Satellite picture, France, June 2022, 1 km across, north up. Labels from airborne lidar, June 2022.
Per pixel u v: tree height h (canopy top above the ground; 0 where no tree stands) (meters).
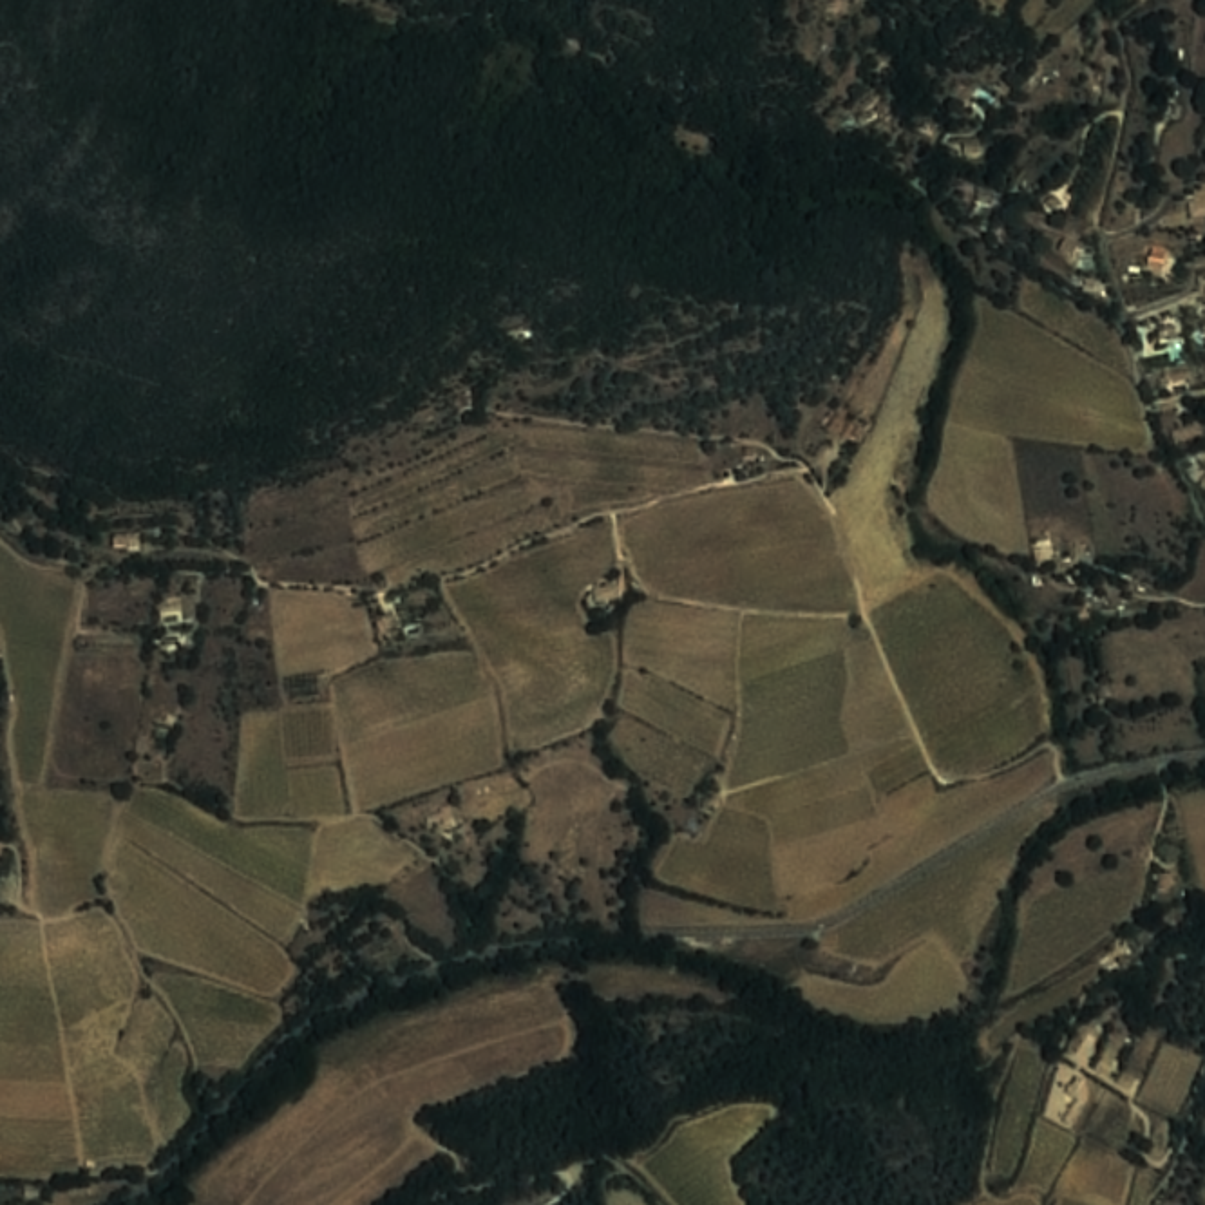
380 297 7
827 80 9
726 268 13
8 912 8
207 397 6
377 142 9
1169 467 7
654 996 10
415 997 19
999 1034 0
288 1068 18
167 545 9
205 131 8
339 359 9
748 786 0
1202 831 0
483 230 9
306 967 9
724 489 0
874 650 0
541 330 9
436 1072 0
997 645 0
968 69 10
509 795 0
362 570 0
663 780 0
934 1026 8
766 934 0
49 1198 11
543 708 0
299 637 0
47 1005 0
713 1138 0
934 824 0
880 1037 15
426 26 9
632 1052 13
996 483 0
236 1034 0
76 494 11
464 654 0
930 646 0
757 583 0
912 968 0
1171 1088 0
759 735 0
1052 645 9
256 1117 15
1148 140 12
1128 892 0
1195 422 12
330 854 0
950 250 11
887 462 0
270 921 0
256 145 8
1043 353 0
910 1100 7
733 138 11
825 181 13
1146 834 0
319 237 8
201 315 6
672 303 7
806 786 0
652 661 0
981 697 0
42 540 9
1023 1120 0
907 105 18
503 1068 0
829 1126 10
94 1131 0
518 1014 0
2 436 8
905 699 0
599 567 0
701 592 0
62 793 0
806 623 0
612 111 10
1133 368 0
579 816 0
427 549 0
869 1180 10
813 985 0
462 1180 11
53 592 0
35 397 9
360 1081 0
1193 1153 10
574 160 9
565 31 9
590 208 7
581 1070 17
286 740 0
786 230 17
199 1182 0
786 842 0
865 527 0
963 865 0
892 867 0
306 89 12
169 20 7
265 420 11
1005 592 11
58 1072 0
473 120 5
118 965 0
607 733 8
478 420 20
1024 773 0
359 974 10
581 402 13
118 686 0
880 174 11
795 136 19
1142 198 10
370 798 0
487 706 0
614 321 8
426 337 6
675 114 15
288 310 8
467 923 12
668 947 19
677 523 0
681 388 6
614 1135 13
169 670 5
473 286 13
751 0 7
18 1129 0
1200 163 8
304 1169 0
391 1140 0
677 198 19
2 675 9
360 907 9
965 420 0
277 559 0
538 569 0
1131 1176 0
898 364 0
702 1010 10
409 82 8
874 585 0
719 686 0
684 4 7
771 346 12
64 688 0
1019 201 14
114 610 0
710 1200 0
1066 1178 0
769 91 11
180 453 10
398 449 0
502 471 0
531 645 0
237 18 8
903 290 13
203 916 0
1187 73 12
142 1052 0
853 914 0
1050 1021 11
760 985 16
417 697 0
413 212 7
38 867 0
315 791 0
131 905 0
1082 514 0
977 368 0
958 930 0
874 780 0
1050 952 0
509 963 18
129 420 7
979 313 0
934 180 14
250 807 0
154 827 0
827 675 0
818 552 0
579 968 13
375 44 7
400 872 0
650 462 0
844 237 9
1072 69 0
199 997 0
